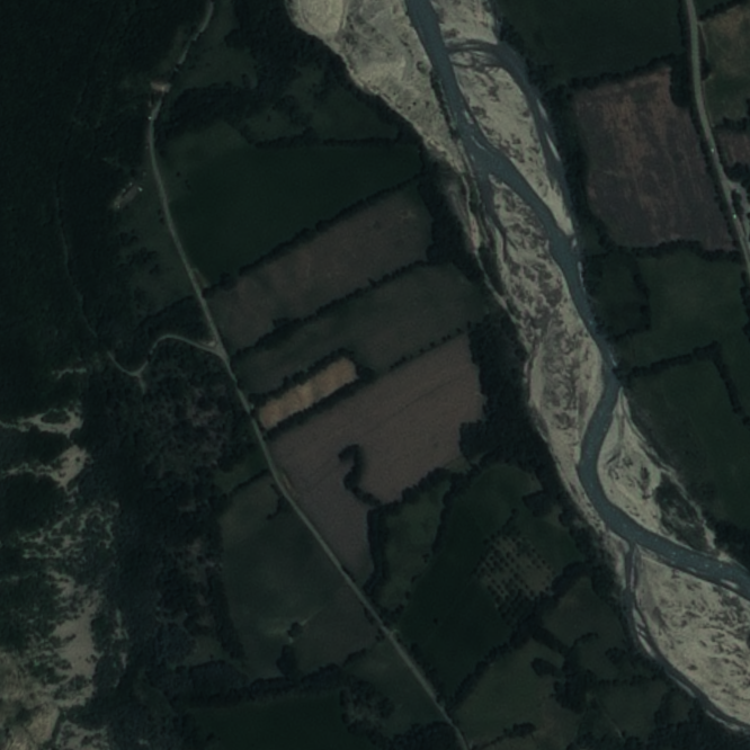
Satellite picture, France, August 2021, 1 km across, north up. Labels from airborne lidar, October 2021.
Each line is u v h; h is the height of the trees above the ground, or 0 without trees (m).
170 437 11
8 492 13
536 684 0
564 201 0
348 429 0
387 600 0
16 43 23
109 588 7
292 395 0
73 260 12
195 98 16
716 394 0
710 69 11
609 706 0
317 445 0
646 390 0
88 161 12
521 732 10
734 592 0
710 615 0
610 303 0
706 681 0
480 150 0
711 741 10
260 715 0
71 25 23
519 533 6
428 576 0
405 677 0
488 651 0
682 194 0
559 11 0
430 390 0
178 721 13
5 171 21
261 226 0
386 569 15
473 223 0
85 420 6
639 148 0
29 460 10
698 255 11
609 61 0
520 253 0
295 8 0
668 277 0
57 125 19
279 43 10
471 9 0
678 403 0
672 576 0
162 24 15
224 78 0
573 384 0
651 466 0
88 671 0
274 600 0
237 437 17
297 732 0
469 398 0
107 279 14
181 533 19
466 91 0
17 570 10
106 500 6
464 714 0
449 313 0
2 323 12
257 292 0
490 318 11
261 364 0
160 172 0
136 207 0
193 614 13
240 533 0
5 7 14
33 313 13
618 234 0
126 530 8
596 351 0
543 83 13
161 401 11
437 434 0
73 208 13
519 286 0
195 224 0
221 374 10
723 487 0
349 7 0
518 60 0
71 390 12
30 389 16
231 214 0
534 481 6
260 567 0
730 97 0
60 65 20
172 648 16
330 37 0
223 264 0
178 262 0
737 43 0
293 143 10
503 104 0
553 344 0
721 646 0
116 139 15
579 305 0
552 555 0
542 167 0
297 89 0
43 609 7
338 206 0
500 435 20
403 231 0
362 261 0
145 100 12
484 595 0
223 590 12
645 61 0
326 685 19
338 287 0
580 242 0
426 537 0
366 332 0
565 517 11
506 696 0
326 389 0
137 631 15
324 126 0
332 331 0
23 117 20
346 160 0
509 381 9
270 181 0
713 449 0
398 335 0
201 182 0
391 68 0
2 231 18
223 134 0
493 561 8
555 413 0
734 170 10
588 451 0
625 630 9
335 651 0
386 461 0
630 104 0
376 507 13
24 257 14
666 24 0
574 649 7
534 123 0
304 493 0
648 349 0
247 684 20
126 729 9
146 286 0
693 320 0
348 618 0
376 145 13
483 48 0
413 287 0
